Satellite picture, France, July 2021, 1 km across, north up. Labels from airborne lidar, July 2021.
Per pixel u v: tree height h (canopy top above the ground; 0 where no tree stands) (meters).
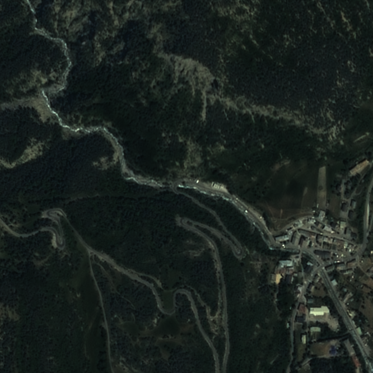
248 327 6
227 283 8
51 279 8
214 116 10
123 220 16
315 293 0
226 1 9
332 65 13
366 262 0
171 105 6
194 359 8
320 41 6
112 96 14
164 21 7
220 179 11
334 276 9
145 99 9
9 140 16
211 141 10
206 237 0
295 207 0
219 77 7
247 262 0
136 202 14
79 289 0
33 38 12
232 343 6
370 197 0
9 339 13
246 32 7
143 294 9
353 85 5
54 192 10
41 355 15
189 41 11
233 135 11
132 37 12
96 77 21
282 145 11
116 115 18
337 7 9
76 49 7
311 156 6
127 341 7
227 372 6
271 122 10
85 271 0
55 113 8
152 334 0
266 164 6
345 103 12
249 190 9
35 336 8
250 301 7
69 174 19
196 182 0
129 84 8
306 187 0
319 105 11
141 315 10
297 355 13
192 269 9
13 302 10
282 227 0
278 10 8
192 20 12
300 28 6
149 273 8
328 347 0
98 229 8
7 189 14
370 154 15
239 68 12
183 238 8
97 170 9
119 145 10
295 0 9
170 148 10
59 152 17
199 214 8
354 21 6
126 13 7
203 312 11
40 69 9
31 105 0
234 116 13
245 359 8
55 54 15
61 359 7
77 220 16
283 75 9
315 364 21
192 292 6
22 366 6
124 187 10
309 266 0
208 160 7
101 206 15
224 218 6
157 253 7
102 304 0
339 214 0
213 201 7
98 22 10
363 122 6
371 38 10
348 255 0
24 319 6
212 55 7
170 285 0
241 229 10
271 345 9
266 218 15
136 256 10
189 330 0
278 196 0
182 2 11
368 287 8
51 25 8
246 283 6
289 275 0
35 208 0
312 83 8
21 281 20
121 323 0
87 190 11
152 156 13
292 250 0
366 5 6
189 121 9
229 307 7
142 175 7
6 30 7
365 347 0
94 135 6
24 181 18
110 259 0
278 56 7
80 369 7
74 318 8
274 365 9
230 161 0
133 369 0
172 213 7
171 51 8
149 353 7
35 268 7
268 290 11
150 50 8
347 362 12
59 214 7
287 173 0
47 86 10
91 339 0
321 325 15
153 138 12
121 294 7
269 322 0
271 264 0
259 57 7
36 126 16
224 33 10
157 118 7
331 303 8
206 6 7
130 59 7
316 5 11
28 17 7
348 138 0
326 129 7
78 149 13
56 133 8
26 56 16
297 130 8
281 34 7
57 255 7
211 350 0
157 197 9
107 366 6
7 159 7
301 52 11
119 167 8
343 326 12
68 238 7
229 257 6
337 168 0
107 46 16
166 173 16
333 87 11
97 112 8
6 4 11
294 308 12
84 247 0
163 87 9
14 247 14
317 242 6
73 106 13
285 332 9
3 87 9
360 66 8
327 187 0
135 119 13
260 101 8
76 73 14
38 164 13
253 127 16
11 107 0
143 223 7
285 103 11
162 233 7
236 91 6
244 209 0
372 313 0
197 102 7
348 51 10
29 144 14
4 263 8
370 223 8
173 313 0
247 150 11
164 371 6
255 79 15
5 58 16
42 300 14
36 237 7
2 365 7
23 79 7
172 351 10
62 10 8
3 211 7
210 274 10
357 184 7
